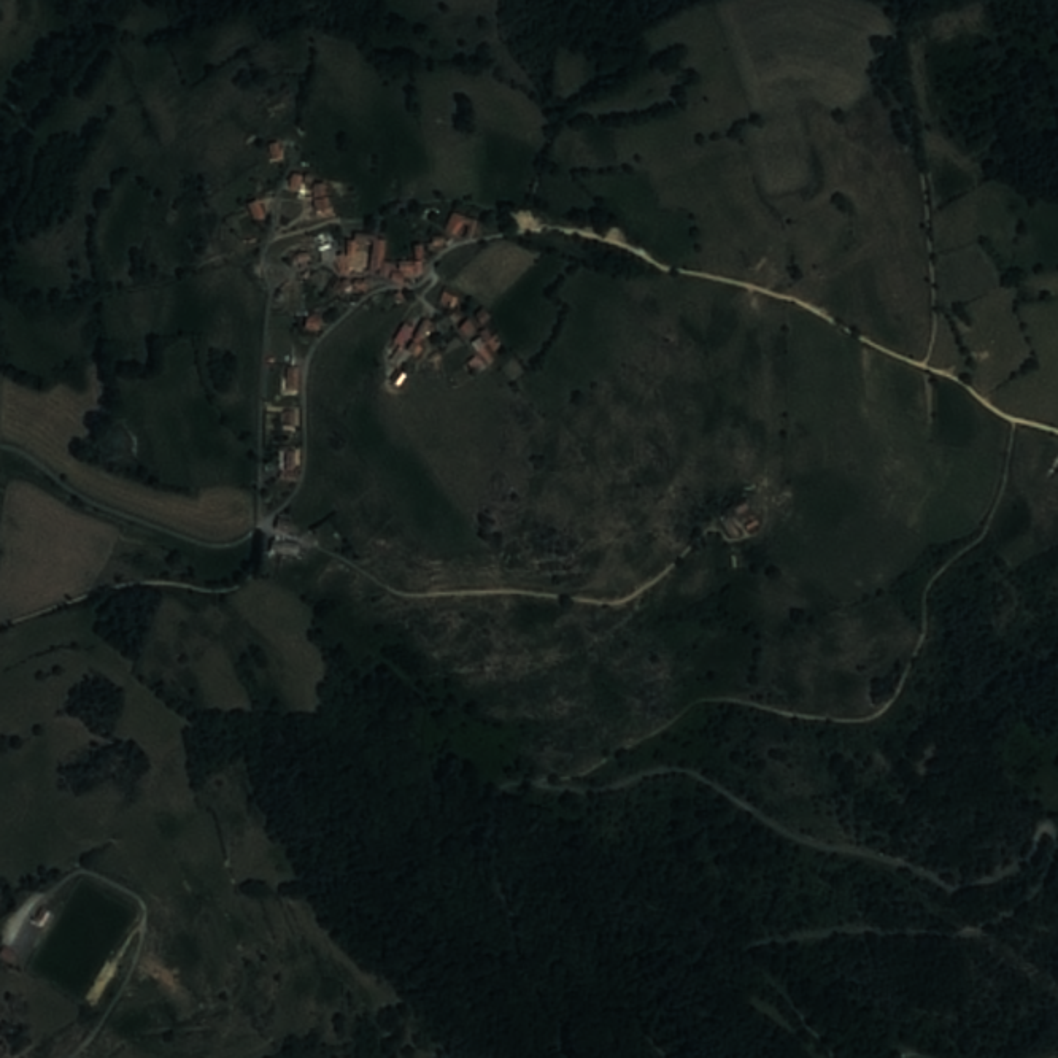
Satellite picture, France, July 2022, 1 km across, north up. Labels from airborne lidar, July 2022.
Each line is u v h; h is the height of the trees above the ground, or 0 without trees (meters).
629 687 0
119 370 17
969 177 0
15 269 14
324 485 0
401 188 0
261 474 0
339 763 20
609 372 0
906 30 7
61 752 0
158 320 0
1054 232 0
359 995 0
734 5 0
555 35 8
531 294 0
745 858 12
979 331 0
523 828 24
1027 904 15
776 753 9
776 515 0
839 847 0
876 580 0
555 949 22
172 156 0
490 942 21
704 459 0
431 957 22
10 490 0
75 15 29
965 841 14
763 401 0
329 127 0
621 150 0
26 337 0
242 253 0
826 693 0
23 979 0
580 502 0
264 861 0
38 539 0
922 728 11
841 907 7
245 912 0
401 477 0
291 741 12
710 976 18
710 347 0
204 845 0
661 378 0
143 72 0
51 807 0
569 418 0
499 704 0
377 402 0
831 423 0
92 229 11
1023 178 19
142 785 0
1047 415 0
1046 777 0
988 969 8
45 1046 6
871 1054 12
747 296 0
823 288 0
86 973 0
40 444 0
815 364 0
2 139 28
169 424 0
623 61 18
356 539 0
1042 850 15
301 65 0
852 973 18
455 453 0
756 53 0
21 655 0
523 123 0
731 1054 22
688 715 0
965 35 0
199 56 0
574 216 13
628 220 0
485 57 7
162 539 0
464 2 0
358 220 0
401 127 0
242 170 0
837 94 0
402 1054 8
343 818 22
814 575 0
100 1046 0
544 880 19
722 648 0
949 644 14
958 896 14
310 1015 0
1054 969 18
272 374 0
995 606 8
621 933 21
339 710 16
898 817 11
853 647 0
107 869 0
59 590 0
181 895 0
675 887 28
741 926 17
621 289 0
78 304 13
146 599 16
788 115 0
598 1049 27
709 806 9
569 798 14
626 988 20
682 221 0
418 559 0
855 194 0
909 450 0
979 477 0
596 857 21
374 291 0
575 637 0
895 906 18
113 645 11
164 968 0
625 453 0
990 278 0
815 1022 19
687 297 0
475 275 0
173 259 0
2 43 0
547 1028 20
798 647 0
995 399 0
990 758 21
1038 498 0
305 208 0
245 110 0
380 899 25
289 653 0
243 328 0
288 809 21
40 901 0
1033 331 0
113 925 0
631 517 0
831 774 10
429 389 0
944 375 0
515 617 0
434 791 26
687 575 0
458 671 0
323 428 0
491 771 0
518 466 0
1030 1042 21
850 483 0
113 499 0
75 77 16
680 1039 11
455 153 0
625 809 6
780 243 0
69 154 8
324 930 9
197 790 8
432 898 25
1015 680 21
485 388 0
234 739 7
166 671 0
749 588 0
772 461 0
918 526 0
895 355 0
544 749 0
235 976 0
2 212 19
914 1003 14
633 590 0
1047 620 7
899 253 0
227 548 0
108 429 19
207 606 0
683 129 0
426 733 0
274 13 15
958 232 0
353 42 9
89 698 7
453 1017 24
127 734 0
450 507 0
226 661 0
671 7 15
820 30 0
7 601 0
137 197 0
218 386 9
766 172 0
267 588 0
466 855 25
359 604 0
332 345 0
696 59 0
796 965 17
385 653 9
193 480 0
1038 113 8
